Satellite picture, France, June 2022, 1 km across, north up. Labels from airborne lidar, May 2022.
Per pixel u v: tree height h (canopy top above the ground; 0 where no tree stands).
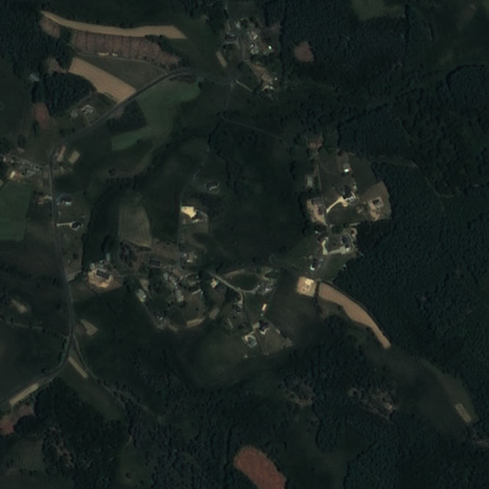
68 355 0
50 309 0
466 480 12
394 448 19
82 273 6
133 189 7
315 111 12
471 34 0
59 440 19
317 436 9
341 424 16
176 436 13
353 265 16
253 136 7
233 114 7
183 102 0
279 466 17
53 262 0
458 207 7
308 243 0
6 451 9
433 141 13
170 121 0
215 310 0
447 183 12
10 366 0
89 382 0
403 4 0
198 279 6
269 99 7
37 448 0
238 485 26
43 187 0
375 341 7
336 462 0
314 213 0
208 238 0
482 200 7
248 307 0
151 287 11
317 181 6
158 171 0
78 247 0
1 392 0
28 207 0
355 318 0
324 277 0
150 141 0
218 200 6
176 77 0
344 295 0
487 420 19
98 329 0
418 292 19
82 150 0
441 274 19
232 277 0
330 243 0
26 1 18
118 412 0
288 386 16
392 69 20
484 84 24
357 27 15
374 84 19
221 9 12
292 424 11
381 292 19
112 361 0
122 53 0
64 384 14
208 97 0
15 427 0
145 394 0
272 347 0
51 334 11
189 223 0
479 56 0
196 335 0
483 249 21
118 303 0
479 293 6
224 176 0
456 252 27
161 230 0
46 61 16
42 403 27
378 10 0
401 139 26
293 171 17
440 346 13
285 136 0
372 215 0
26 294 0
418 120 14
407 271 23
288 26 31
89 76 0
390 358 0
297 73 17
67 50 22
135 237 0
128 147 0
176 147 0
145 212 0
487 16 0
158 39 16
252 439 16
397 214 22
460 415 0
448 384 0
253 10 0
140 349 10
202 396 12
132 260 17
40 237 0
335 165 0
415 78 19
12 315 0
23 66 22
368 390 11
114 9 0
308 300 0
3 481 0
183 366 0
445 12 0
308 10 33
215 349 0
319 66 15
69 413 11
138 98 0
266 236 0
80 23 0
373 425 20
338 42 22
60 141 0
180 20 0
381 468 17
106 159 0
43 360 0
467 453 17
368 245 13
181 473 10
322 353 11
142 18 0
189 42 0
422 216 19
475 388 17
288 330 0
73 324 0
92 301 0
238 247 0
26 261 0
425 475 27
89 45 0
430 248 20
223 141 12
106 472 23
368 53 11
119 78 0
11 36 22
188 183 0
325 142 7
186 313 0
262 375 0
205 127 0
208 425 11
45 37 26
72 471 14
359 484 19
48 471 13
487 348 9
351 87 12
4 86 0
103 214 0
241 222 0
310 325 0
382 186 0
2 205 0
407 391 0
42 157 0
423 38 35
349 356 14
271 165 0
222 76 0
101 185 0
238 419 14
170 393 7
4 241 0
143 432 18
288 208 0
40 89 28
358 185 0
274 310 0
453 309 31
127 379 0
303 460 0
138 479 0
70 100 19
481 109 15
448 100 25
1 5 19
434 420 0
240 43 0
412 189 29
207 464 10
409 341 18
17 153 0
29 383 0
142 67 0
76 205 0
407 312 19
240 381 0
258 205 0
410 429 18
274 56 14
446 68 0
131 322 0
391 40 20
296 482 9
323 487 0
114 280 0
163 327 0
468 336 8
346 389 19
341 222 0
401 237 19
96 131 0
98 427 14
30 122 0
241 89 0
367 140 22
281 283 0
